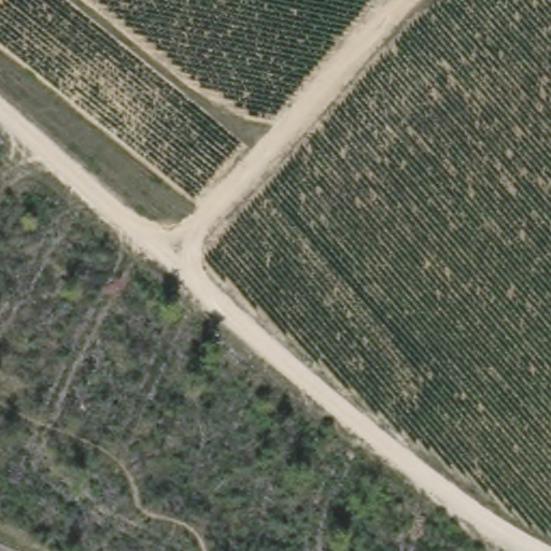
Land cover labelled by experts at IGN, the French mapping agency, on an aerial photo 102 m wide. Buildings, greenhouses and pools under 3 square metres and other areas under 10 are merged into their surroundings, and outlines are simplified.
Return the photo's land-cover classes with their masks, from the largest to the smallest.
<instances>
[{"label":"vineyard","instance_id":"1","mask_svg":"<svg viewBox=\"0 0 551 551\"><path fill-rule=\"evenodd\" d=\"M0 41L9 45L17 56L28 60L34 69H39L52 84L65 88V93L69 95H80L82 103L90 112H95L101 123L114 127L121 138H125L138 151L146 153L149 159H153L166 174L179 181L187 192L196 194L211 179L215 170L222 166V161L228 159V155L237 149L239 142L232 136H228L213 118L202 114L194 103L185 101L181 93L170 88L149 69H144L138 58L121 50L101 28L90 24L80 11L71 9L62 0H0ZM129 28L146 37L149 43L166 52V56L176 67L189 73L192 80H198L204 88L222 93L226 99H232L237 108H245L250 114H273L280 112L284 101L301 86L303 77L310 75L312 69L327 56V52L334 47L336 37H340L351 26V22L362 13L368 0H99ZM428 4V11L402 32L398 41V52L381 56V60L368 69L364 80L357 82L355 90L349 93L347 99L334 108L323 129L314 131L312 136L303 133L297 138V142H291L288 153H282V161L286 166L278 174L263 172L260 181L252 189H248L243 198L237 200L226 215H220L211 224L202 241V248L207 250L204 258L211 265V269L220 278L230 280L254 308L265 310V314L284 334L282 344L299 362L308 364V368L323 383H327L334 392H338L359 411L381 413L394 426V430L407 433V437L411 439L407 446L420 461H424L448 482L458 486L463 493L474 497L480 506L489 508L506 523L551 547V0H424Z\"/></svg>","mask_w":551,"mask_h":551},{"label":"coniferous trees","instance_id":"2","mask_svg":"<svg viewBox=\"0 0 551 551\"><path fill-rule=\"evenodd\" d=\"M222 325V316L217 312L202 310L200 301L192 297V293L181 284L176 273H170L157 260L146 258L144 254L133 252L129 243L118 241V235L110 230V226L103 220H99V215L77 194H73L65 183H60L52 172L45 170H41L37 176L22 179L15 187L4 189L0 202V521L26 529L30 536H34V540L50 547L52 551H200L196 538L187 529L157 519H149L144 517V512H138L125 478V474L131 469L136 478L142 482V504L157 512L179 517L200 527L209 542V551H415L418 538H422L424 534V519L437 506L424 491L415 489L409 482L405 474L396 471L381 456H377L364 443L362 437L340 426L329 415L306 418L303 398L299 402H291L286 387L256 385L248 379L250 370H239V366H232L230 362L222 359L224 351L220 347L217 329Z\"/></svg>","mask_w":551,"mask_h":551},{"label":"pervious surface","instance_id":"3","mask_svg":"<svg viewBox=\"0 0 551 551\"><path fill-rule=\"evenodd\" d=\"M428 11V4L424 0H368L362 13L351 22V26L340 37H336L334 47L327 52V56L312 69L310 75L303 77L301 86L284 101L280 112L273 114V125L252 146L250 155L235 168V172L220 183H213L211 179L196 194L194 213L181 222H153L138 215L133 209L125 207L118 196H114L77 159L62 151L47 133H43L34 123H30L0 95V146L9 149L6 155L13 164H41L45 170L52 172L60 183H65L73 194H77L99 215V220H103L110 226V230L118 235V241L129 243L133 252L144 254L146 258L157 260L170 273H176L181 284L192 293V297L200 301L202 310L217 312L222 316V325L237 334L252 351H256V355H260L265 362L278 368L303 394L312 396L329 415L340 426L362 437L364 443L377 456H381L396 471L405 474L409 482L415 489L424 491L437 506H443L448 514L456 517L461 529L467 536L493 542L504 551H551V547L506 523L489 508L480 506L474 497L463 493L458 486L448 482L424 461H420L407 446L411 439L407 437V433L394 430V426L381 413L359 411L338 392H334L327 383H323L308 368V364L299 362L282 344L284 334L265 314V310L254 308L230 280L220 278L211 269V265L204 258L207 250L202 248V241L211 224L220 215H226L237 200L243 198L248 189H252L260 181L263 172L278 174L286 166L282 161V153H288L291 142H297V138L303 133L312 136L314 131L323 129L334 108L347 99L349 93L355 90L357 82L364 80L368 69L381 60V56L398 52V41L402 32ZM125 478L138 512H144V517L149 519H157L187 529L196 538L200 551H209V542L200 527L179 517L157 512L142 504V482L136 478L131 469L125 474Z\"/></svg>","mask_w":551,"mask_h":551},{"label":"herbaceous vegetation","instance_id":"4","mask_svg":"<svg viewBox=\"0 0 551 551\"><path fill-rule=\"evenodd\" d=\"M71 9L80 11L90 24L101 28L121 50L138 58L144 69H149L170 88L181 93L185 101L194 103L202 114L213 118L228 136H232L239 142L237 149L228 155V159L222 161V166L215 170L211 179L213 183H220L235 172V168L250 155L252 146L273 125V114H250L245 108H237L232 99H226L222 93L204 88L198 80H192L189 73L176 67L166 56V52L149 43L146 37L129 28L99 0H62ZM0 95L30 123H34L43 133H47L62 151L77 159L114 196H118L125 207L133 209L138 215L153 222H181L194 213L196 194L187 192L179 181L166 174L153 159H149L146 153L138 151L125 138H121L114 127L101 123L95 112H90L82 103L80 95H69L65 93V88L52 84L39 69H34L28 60L17 56L9 45L0 41ZM9 149L0 146V202L4 189L15 187L22 179L37 176L41 170H45L41 164H13L6 155ZM220 347L224 351L222 359L230 362L232 366H239V370H250L248 379L256 385L286 387L291 402H299L303 398L306 418L329 415L312 396L303 394L278 368L265 362L260 355H256V351H252L237 334L222 325L217 329ZM0 551H52L50 547L34 540V536H30L26 529L0 521Z\"/></svg>","mask_w":551,"mask_h":551},{"label":"deciduous trees","instance_id":"5","mask_svg":"<svg viewBox=\"0 0 551 551\"><path fill-rule=\"evenodd\" d=\"M415 551H504L493 542L467 536L461 529L456 517L448 514L443 506H437L424 519V534L422 538H418Z\"/></svg>","mask_w":551,"mask_h":551}]
</instances>
